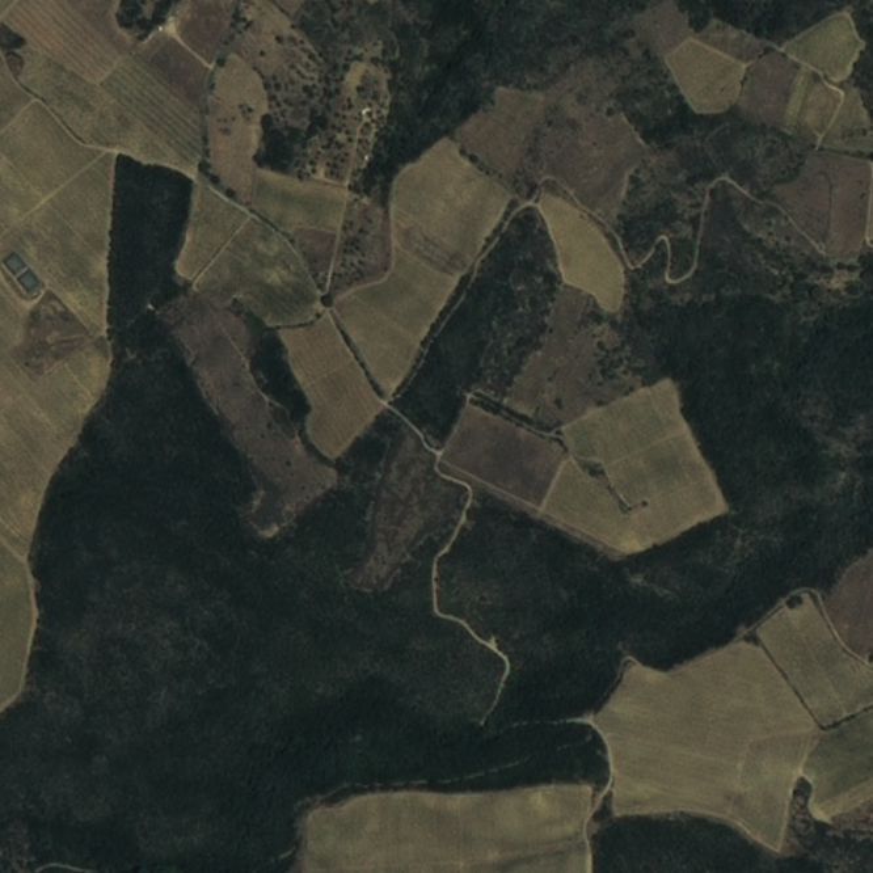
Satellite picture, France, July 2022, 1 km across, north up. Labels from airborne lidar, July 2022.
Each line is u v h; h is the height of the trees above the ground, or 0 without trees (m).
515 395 0
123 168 6
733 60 0
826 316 5
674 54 0
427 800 0
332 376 0
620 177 0
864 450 6
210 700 6
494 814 0
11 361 0
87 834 9
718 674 0
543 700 11
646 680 0
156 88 0
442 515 0
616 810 0
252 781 13
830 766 0
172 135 0
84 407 0
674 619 6
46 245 0
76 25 0
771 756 0
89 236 0
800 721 0
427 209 0
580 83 0
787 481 6
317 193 0
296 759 10
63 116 0
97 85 0
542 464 0
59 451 0
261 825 5
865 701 0
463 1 9
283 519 0
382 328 0
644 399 0
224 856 6
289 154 5
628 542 0
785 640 0
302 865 0
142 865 12
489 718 7
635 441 0
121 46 0
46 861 6
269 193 0
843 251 0
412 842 0
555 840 0
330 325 0
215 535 6
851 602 0
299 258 0
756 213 0
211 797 7
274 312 0
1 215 0
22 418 0
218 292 0
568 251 0
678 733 0
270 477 0
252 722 8
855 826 0
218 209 0
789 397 9
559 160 0
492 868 0
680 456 0
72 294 0
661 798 0
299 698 7
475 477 0
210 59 0
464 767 7
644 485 0
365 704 11
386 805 0
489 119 0
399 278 0
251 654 5
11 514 0
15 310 0
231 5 0
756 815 0
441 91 7
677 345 6
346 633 6
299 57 0
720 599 6
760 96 0
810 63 0
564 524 0
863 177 0
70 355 0
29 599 0
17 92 0
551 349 0
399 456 0
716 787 0
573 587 6
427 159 0
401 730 8
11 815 9
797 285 10
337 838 0
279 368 6
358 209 0
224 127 0
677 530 0
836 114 0
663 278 0
